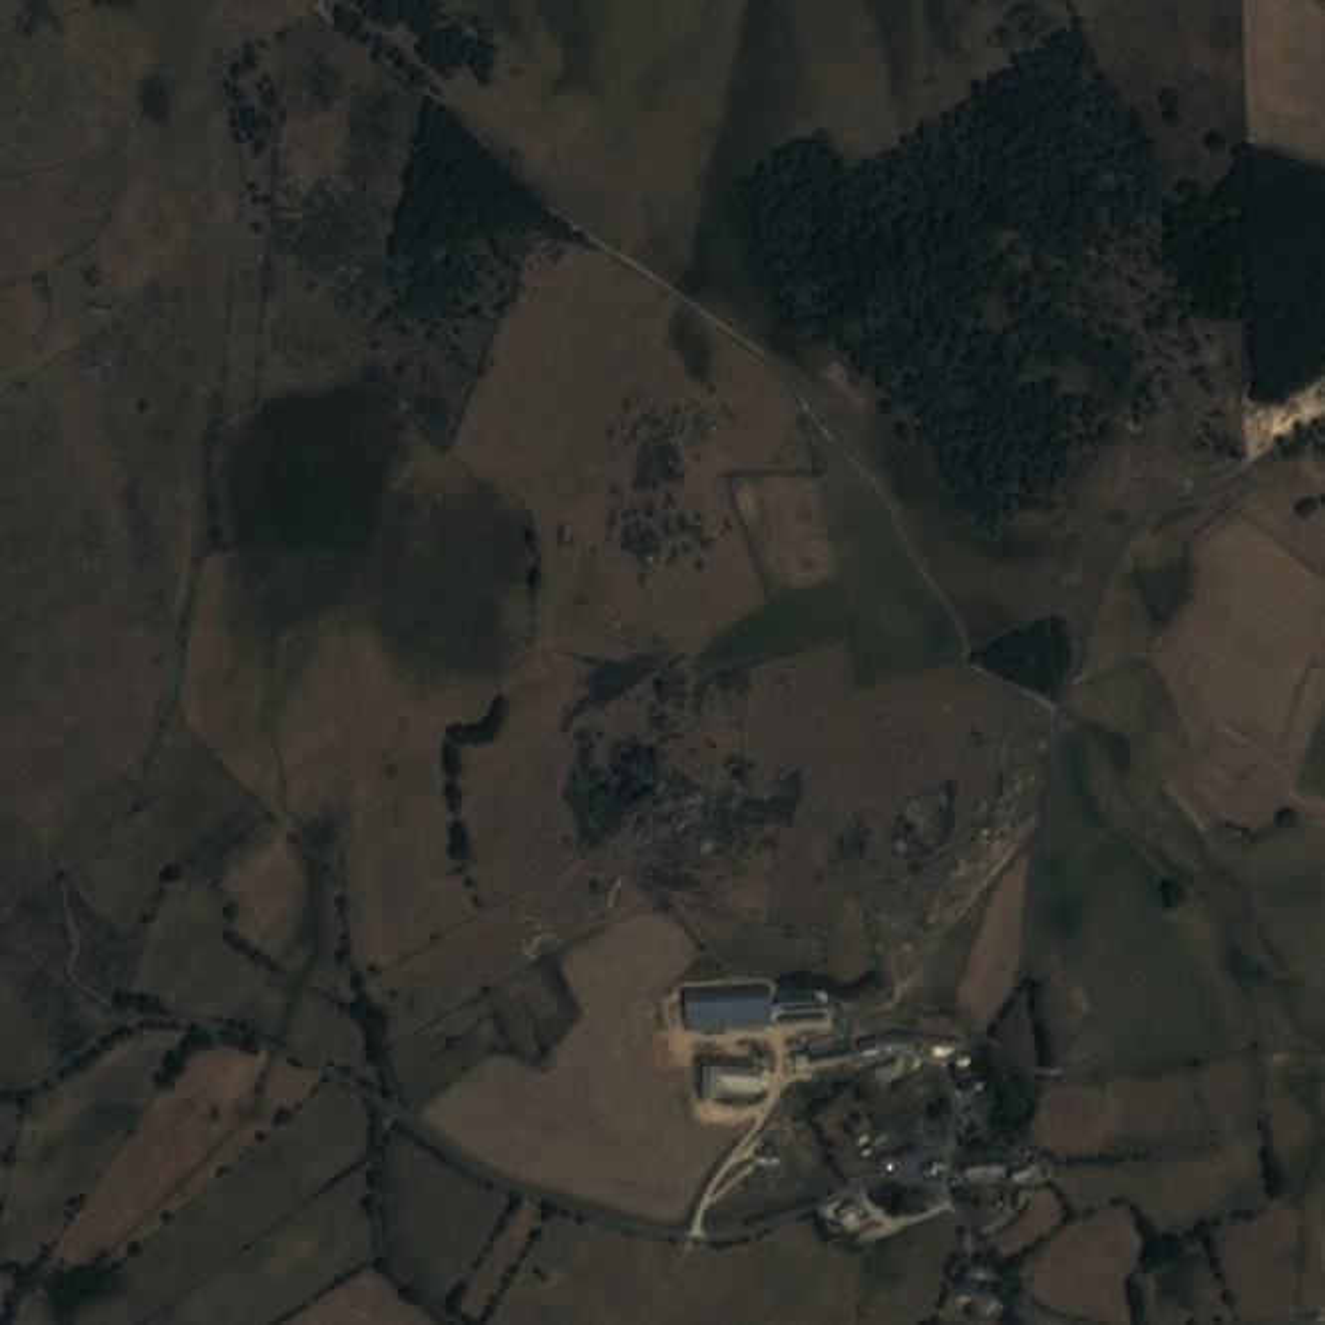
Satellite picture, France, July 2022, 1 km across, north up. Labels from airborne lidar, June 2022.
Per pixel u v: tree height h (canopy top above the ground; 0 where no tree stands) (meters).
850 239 15
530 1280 0
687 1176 0
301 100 0
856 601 0
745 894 0
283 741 0
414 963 0
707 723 0
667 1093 0
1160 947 0
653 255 0
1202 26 0
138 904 0
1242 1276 0
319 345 0
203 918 0
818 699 0
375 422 0
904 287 14
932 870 0
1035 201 13
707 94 0
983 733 0
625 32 0
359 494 0
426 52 12
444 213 23
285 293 0
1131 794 0
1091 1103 0
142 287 0
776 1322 0
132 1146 0
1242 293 14
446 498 0
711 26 0
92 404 0
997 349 12
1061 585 0
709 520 0
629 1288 0
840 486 0
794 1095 0
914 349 16
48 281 0
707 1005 0
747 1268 0
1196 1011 0
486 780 0
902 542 0
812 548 0
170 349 0
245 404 0
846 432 0
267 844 0
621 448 0
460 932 0
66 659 0
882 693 0
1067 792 0
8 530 0
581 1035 0
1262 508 0
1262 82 0
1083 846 0
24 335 0
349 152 0
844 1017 0
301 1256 0
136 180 0
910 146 11
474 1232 0
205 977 0
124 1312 0
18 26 0
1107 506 0
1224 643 0
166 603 0
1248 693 0
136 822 0
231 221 0
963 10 0
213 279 0
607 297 0
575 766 0
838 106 0
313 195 0
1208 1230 13
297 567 0
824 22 0
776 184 11
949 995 0
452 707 0
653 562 0
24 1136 0
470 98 0
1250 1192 0
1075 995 0
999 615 0
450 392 0
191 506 0
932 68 0
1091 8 0
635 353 0
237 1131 0
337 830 0
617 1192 0
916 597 0
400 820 0
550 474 0
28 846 0
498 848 0
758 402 0
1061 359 7
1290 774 0
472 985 0
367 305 0
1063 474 12
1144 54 0
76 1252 0
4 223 0
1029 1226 0
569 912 0
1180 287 12
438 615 0
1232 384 0
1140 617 0
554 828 0
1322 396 0
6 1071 0
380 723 0
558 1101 0
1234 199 15
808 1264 0
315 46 0
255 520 0
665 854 0
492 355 0
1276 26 0
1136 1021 0
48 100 0
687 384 0
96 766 0
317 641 0
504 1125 0
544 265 0
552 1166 0
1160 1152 0
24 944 0
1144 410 11
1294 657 0
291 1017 0
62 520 0
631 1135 0
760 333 0
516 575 0
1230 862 0
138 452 0
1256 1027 0
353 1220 0
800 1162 0
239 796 0
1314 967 0
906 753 0
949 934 0
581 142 0
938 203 14
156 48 0
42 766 0
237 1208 0
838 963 0
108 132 0
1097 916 0
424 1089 0
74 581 0
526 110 0
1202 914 0
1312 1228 0
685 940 0
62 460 0
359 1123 0
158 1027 7
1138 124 15
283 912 0
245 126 12
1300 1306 0
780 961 0
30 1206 0
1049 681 8
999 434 13
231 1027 8
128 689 0
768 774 0
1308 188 17
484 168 19
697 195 0
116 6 0
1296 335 18
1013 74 17
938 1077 0
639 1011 0
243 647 0
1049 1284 0
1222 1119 0
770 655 0
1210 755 0
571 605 0
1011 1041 0
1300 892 0
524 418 0
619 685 0
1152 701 0
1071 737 0
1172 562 0
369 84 0
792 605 0
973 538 0
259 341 0
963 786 0
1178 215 18
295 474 0
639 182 0
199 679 0
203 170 0
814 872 0
